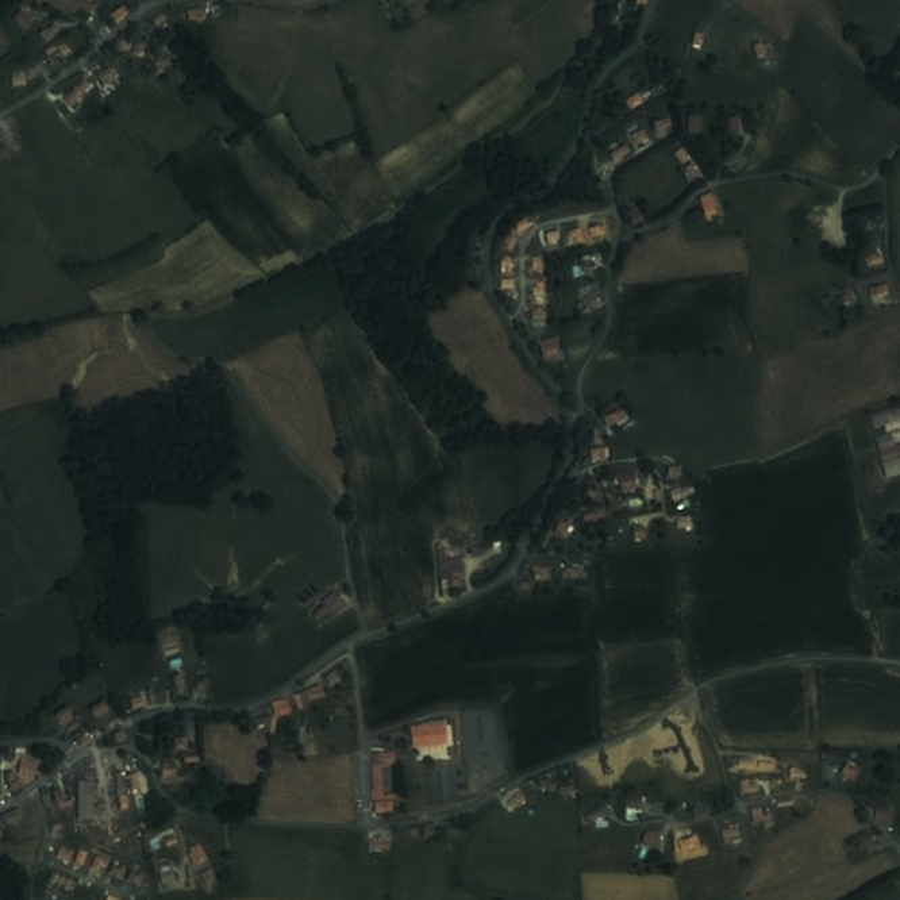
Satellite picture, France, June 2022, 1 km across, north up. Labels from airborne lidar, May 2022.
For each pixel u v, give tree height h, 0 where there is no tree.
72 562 0
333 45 0
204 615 23
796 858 0
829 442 0
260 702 0
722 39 0
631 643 0
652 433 0
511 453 0
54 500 0
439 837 11
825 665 0
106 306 0
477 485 0
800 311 0
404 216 15
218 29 0
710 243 0
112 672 0
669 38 0
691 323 0
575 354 0
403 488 0
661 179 0
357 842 0
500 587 0
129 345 0
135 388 0
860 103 0
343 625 0
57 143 0
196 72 19
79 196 0
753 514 0
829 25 0
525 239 0
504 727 0
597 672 0
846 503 0
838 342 0
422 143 0
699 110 6
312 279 0
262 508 21
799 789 0
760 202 0
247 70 0
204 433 20
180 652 0
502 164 21
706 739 0
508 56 0
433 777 0
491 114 0
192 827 0
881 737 0
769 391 0
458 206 0
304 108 0
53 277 0
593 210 0
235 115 17
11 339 25
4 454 0
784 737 0
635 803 0
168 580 0
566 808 0
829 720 0
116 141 0
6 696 0
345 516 17
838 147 0
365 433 0
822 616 0
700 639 0
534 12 0
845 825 0
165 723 17
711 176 22
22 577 0
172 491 32
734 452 0
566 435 13
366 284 14
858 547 0
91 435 20
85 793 0
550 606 0
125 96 0
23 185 0
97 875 0
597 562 0
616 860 0
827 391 0
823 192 0
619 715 0
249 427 0
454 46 0
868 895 13
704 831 0
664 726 0
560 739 0
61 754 12
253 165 0
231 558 0
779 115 0
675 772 0
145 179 0
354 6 0
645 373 0
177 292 0
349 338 0
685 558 0
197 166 0
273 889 0
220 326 0
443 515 0
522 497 0
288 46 0
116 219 0
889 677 0
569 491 17
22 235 0
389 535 0
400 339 22
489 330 0
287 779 0
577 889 0
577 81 12
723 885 0
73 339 0
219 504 0
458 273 8
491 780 0
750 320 0
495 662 0
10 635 0
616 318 0
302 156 0
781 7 0
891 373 0
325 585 0
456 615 0
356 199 0
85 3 0
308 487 0
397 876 0
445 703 0
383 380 0
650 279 0
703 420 0
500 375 0
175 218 0
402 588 0
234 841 0
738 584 0
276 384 0
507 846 0
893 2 0
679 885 0
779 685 0
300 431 0
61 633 0
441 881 0
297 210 0
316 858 0
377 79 0
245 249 0
